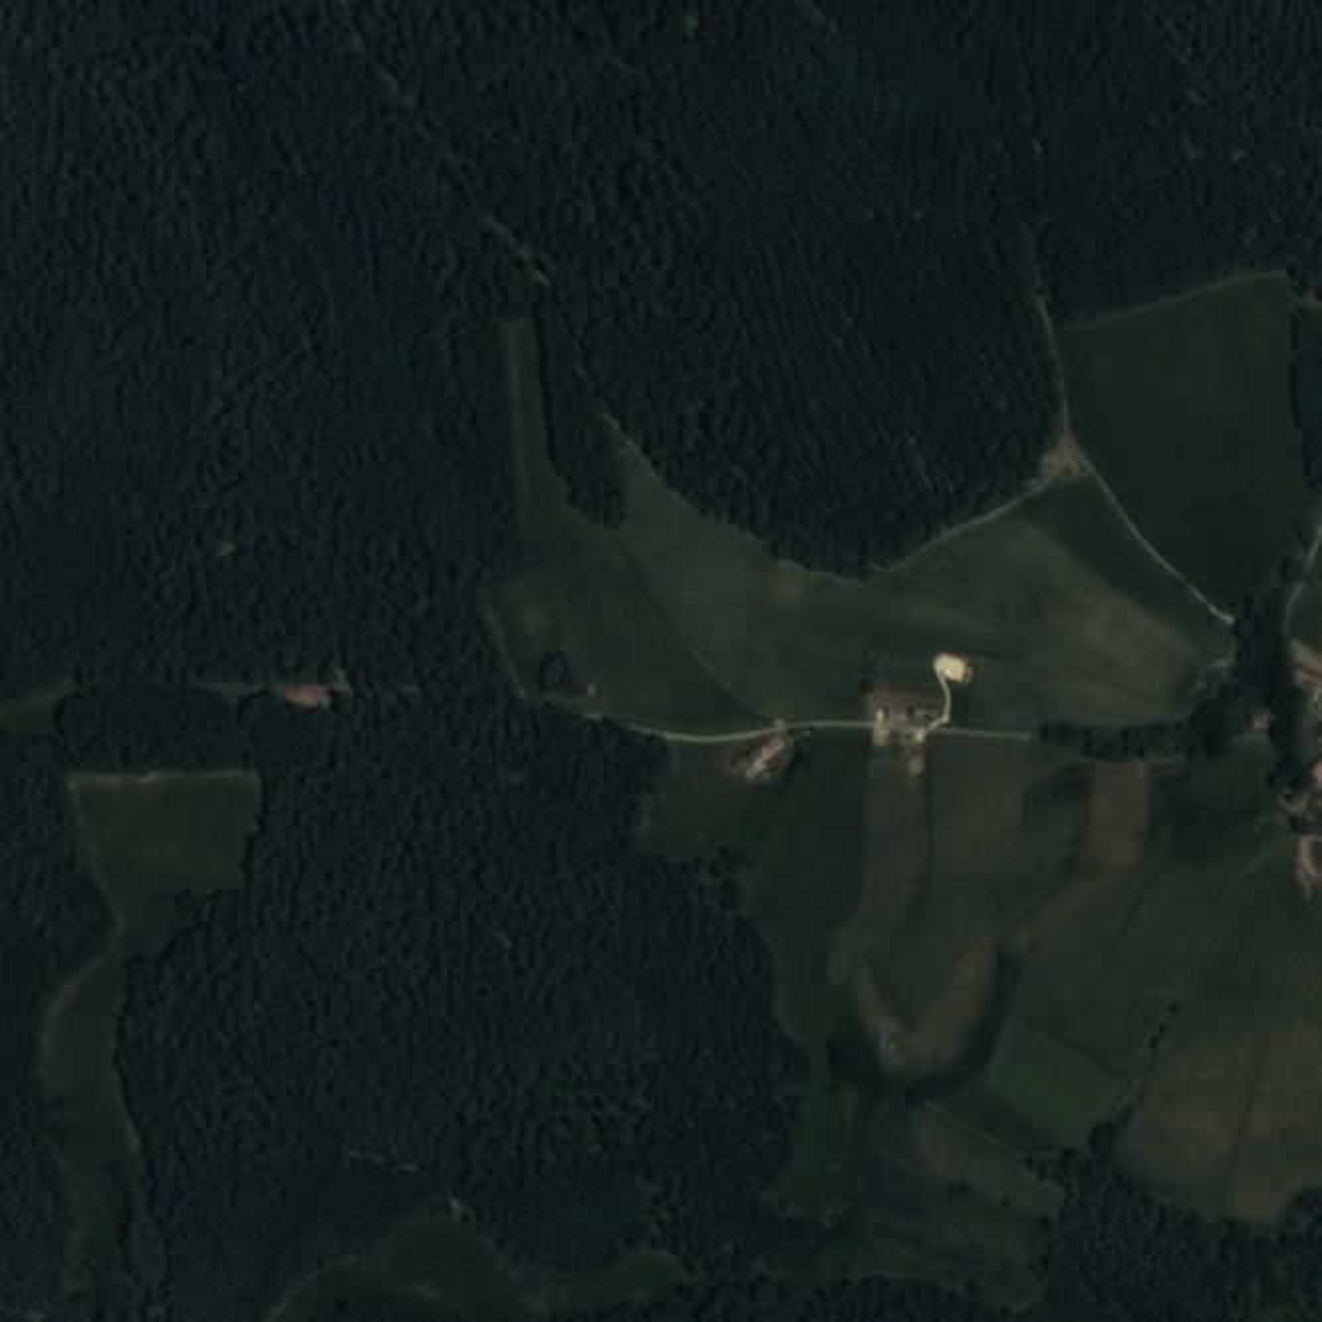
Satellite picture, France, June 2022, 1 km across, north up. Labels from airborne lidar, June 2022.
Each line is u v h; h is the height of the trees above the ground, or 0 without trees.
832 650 0
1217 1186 0
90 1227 0
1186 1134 0
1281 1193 0
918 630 0
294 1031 24
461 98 32
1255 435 0
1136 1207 16
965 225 17
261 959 27
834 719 0
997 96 19
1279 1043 0
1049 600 0
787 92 22
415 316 24
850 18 21
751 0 17
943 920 0
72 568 21
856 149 16
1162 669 0
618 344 29
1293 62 24
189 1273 19
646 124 27
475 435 17
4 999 17
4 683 23
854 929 0
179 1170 26
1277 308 0
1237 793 0
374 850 28
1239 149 21
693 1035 18
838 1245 7
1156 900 0
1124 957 0
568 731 26
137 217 24
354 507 23
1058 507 0
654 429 26
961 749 0
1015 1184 0
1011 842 0
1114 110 19
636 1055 20
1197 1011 0
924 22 19
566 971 26
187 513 25
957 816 0
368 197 25
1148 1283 6
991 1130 0
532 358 0
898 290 22
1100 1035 0
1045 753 0
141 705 24
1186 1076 0
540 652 0
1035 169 15
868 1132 0
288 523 26
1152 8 23
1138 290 19
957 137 15
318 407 26
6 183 26
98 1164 0
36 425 27
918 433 15
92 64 31
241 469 34
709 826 0
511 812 24
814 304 17
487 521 25
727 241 17
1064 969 0
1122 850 0
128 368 28
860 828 0
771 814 0
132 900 0
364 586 30
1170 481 0
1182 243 22
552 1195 18
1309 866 0
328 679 21
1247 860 0
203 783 0
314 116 26
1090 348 0
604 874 22
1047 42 13
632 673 0
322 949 28
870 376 15
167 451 20
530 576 0
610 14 27
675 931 17
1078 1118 0
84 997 0
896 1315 19
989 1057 0
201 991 25
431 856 23
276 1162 24
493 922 23
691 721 0
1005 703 0
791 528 19
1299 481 0
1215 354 0
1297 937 0
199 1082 27
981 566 0
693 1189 24
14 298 28
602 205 22
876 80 16
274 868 31
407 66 27
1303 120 25
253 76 32
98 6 27
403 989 27
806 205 18
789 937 0
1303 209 25
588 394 21
